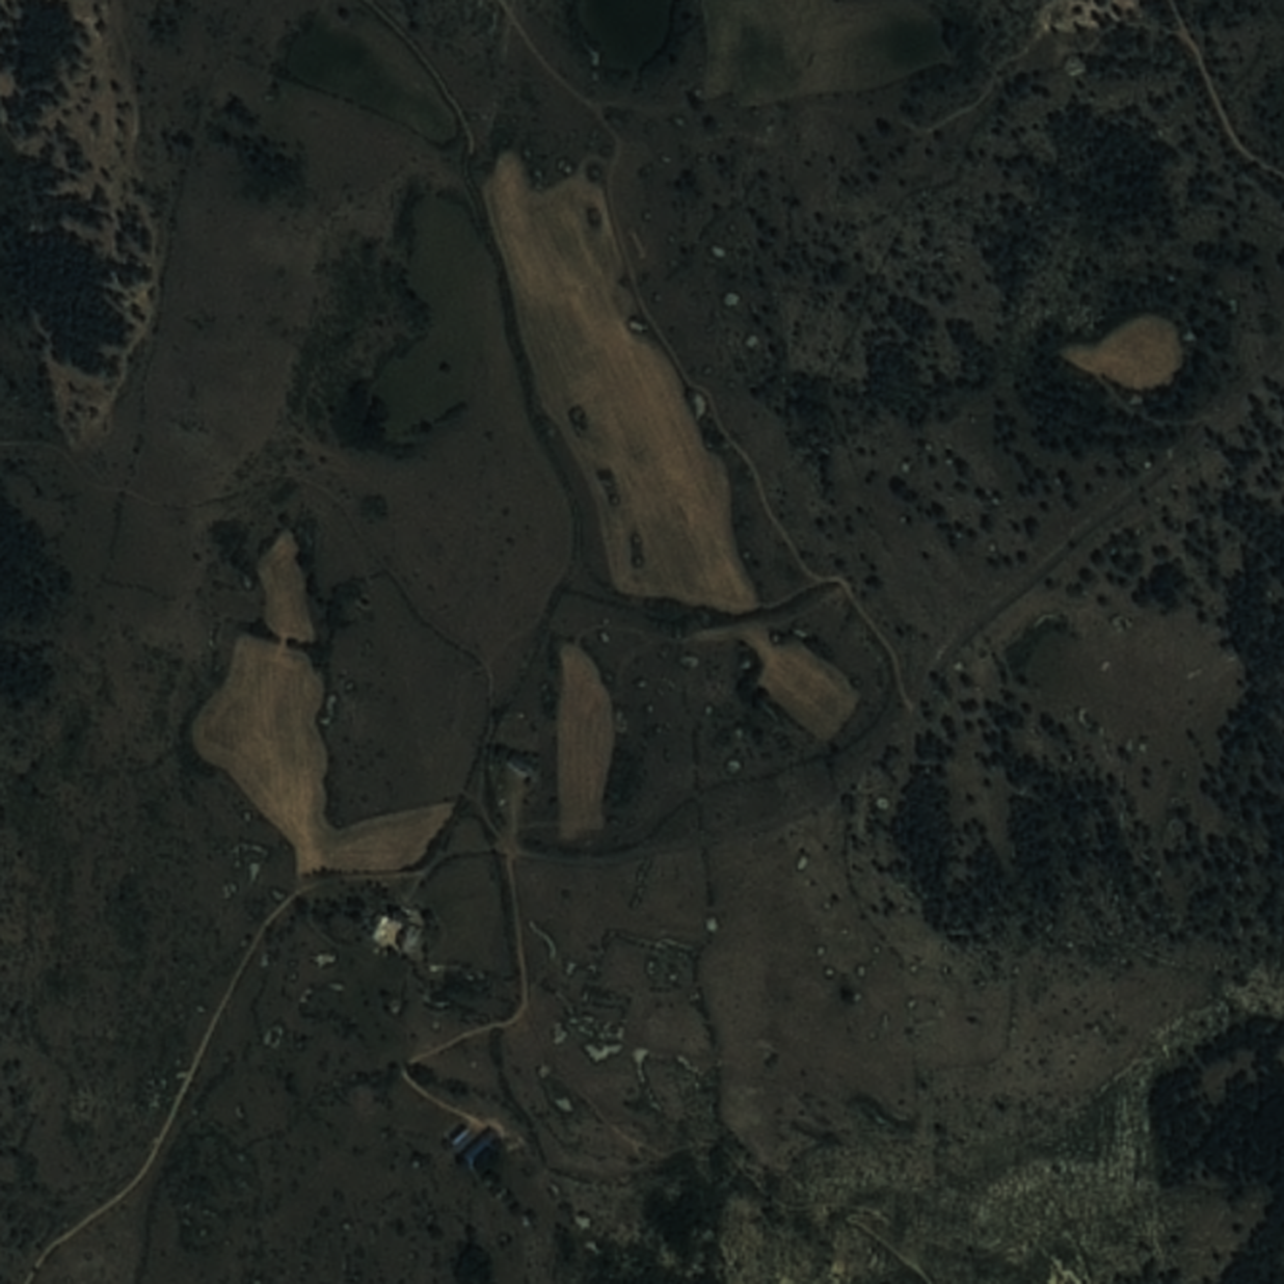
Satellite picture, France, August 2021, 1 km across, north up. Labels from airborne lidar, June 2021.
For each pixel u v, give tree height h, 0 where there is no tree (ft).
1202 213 0
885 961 0
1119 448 34
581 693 0
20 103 25
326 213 0
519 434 0
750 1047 0
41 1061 0
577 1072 0
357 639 0
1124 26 28
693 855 0
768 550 0
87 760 0
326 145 0
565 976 0
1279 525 37
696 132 0
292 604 0
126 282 19
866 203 0
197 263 0
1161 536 0
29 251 41
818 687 0
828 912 0
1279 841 43
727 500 0
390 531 0
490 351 0
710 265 0
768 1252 0
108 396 0
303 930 0
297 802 0
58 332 32
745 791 0
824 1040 0
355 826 0
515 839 0
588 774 0
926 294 25
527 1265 0
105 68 0
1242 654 67
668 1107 0
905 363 31
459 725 0
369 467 0
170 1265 0
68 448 0
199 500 0
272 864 0
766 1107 0
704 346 0
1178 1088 30
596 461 0
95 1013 0
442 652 0
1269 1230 45
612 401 0
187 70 0
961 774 0
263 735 0
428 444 0
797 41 0
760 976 0
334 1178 0
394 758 0
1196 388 33
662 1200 25
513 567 0
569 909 0
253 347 0
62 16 43
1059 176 36
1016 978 0
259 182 0
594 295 0
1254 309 0
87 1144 0
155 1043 0
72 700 0
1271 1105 47
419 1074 36
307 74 0
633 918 0
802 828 0
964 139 0
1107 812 42
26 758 0
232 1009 0
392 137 0
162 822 0
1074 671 0
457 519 0
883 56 0
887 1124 0
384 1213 0
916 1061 0
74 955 0
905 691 0
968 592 0
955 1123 0
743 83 0
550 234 0
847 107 0
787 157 0
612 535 0
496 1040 0
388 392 0
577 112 0
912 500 28
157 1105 0
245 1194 0
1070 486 50
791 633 21
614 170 0
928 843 27
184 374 0
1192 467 0
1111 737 0
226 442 0
